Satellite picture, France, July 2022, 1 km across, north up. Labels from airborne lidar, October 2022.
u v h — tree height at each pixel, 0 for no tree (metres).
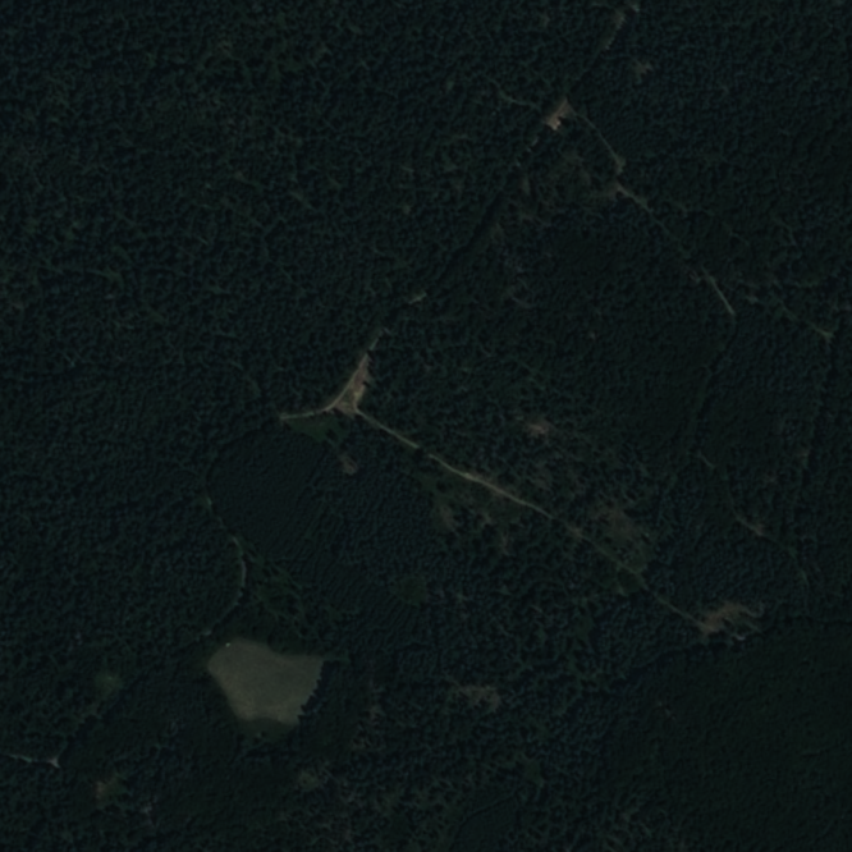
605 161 15
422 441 22
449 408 19
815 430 19
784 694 12
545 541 11
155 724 26
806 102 21
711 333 23
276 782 27
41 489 20
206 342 24
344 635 18
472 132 24
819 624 26
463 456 6
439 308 18
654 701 25
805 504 13
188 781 26
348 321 23
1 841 25
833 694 10
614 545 22
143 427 25
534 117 17
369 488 27
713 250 24
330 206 20
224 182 13
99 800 27
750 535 28
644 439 23
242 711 0
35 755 18
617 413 20
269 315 27
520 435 9
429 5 25
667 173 24
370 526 30
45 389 19
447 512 0
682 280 32
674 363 22
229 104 13
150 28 10
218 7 28
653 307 24
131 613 8
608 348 24
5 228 15
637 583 7
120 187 23
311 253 22
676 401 22
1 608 22
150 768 25
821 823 20
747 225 25
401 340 16
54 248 39
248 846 13
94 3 24
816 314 12
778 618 17
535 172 17
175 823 25
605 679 7
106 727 24
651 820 11
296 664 0
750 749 21
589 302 19
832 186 24
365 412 15
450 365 8
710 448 26
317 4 18
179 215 23
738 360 16
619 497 20
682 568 26
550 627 20
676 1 23
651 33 21
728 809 9
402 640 18
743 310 15
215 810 22
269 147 14
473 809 6
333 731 24
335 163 15
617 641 30
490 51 16
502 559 23
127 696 18
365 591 15
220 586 9
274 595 7
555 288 24
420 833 18
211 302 18
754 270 25
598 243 23
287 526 16
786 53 26
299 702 0
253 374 11
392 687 22
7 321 12
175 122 13
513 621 13
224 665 0
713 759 15
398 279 23
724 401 26
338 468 28
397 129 19
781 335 22
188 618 21
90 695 12
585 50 7
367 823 9
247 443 19
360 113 27
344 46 14
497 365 11
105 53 23
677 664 29
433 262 28
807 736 8
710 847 11
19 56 29
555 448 10
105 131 13
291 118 13
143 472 24
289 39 25
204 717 24
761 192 27
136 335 19
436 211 18
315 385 18
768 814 11
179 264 27
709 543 28
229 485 18
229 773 27
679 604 23
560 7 38
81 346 27
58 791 21
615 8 6
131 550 11
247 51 7
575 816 17
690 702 20
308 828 16
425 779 22
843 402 21
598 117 13
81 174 11
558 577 10
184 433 16
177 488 21
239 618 23
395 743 28
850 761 10
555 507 9
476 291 27
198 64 20
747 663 14
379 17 15
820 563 23
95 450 21
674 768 19
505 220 24
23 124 29
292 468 18
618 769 27
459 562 17
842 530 28
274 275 26
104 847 7
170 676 23
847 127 29
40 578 12
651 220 32
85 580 20
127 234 24
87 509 12
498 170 9
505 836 12
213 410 29
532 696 28
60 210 27
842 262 29
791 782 20
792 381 29
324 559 16
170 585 12
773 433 25
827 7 27
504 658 29
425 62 20
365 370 0
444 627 28
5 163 17
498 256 22
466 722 30
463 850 12
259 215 13
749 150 25
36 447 24
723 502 25
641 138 17
